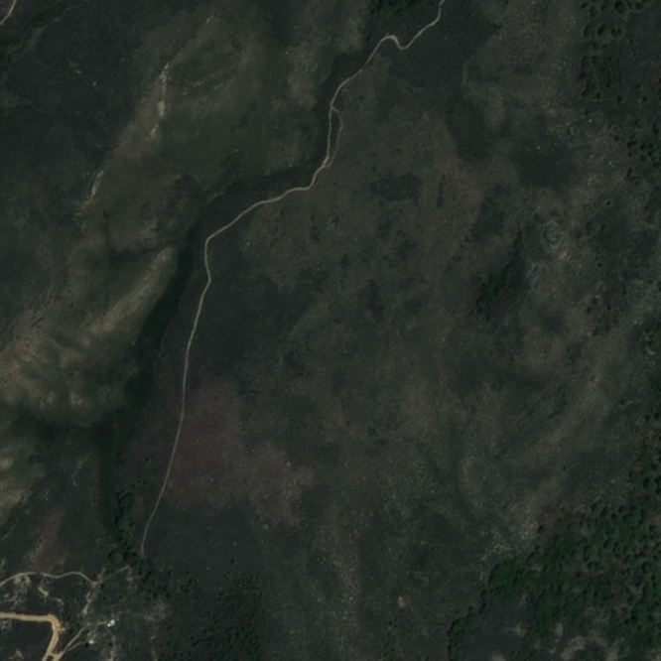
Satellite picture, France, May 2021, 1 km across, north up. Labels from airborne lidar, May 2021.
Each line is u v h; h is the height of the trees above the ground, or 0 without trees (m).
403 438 0
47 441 0
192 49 0
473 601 0
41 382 0
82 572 0
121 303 0
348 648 0
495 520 0
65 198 0
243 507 0
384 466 0
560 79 0
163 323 0
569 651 0
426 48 0
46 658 0
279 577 0
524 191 0
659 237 0
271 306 0
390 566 0
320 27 0
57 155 0
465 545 0
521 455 0
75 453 0
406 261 0
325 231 0
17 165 0
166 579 0
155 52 0
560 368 0
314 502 0
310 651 0
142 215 0
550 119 0
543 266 0
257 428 0
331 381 0
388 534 0
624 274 0
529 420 0
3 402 0
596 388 0
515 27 0
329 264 0
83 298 0
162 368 0
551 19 0
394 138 0
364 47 0
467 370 0
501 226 0
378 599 0
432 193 0
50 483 0
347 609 0
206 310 0
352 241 0
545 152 0
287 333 0
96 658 0
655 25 0
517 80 0
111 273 0
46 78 0
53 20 0
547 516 0
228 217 0
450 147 0
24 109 0
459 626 12
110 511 0
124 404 0
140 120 0
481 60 0
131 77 0
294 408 0
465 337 0
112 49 0
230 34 0
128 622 0
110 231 0
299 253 0
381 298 0
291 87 0
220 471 0
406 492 0
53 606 0
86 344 0
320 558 0
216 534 0
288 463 0
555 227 0
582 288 0
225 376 0
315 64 0
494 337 0
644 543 13
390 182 0
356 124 0
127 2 0
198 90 0
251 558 0
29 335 0
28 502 0
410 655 0
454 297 0
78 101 0
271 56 0
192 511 0
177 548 0
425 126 0
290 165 0
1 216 0
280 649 0
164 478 0
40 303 0
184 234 0
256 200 0
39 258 0
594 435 0
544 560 10
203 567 0
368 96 0
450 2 0
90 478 0
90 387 0
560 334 0
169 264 0
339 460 0
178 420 0
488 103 0
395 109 0
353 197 0
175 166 0
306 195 0
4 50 0
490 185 0
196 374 0
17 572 0
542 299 0
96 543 0
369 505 0
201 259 0
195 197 0
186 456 0
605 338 0
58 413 0
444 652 0
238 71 0
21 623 0
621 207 0
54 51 0
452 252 0
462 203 0
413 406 0
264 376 0
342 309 0
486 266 0
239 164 0
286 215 0
